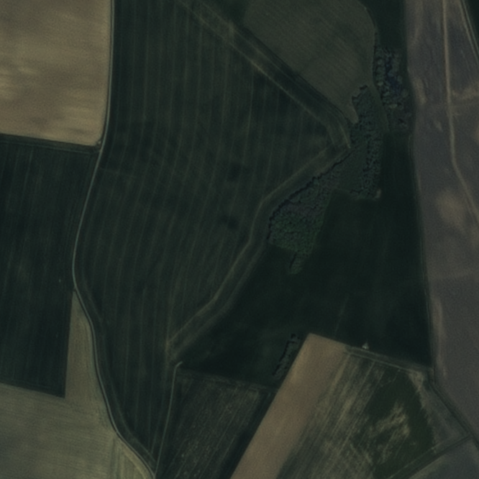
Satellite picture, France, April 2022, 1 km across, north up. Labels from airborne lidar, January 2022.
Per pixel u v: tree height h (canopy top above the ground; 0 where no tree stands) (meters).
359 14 0
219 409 0
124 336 0
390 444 0
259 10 0
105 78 0
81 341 0
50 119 0
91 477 0
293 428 0
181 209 0
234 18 0
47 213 0
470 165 0
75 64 0
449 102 0
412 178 0
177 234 0
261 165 0
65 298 0
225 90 0
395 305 0
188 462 0
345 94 0
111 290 0
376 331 0
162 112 0
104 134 0
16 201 0
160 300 0
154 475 0
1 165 0
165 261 0
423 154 0
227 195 0
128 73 0
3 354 0
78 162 0
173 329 0
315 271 0
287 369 9
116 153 0
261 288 0
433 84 0
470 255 0
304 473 0
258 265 0
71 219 0
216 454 0
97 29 0
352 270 0
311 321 0
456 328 0
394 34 0
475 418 0
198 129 0
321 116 0
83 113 0
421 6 0
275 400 0
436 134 0
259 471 0
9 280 0
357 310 0
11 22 0
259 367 0
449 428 0
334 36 0
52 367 0
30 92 0
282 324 0
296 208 23
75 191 0
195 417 0
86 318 0
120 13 0
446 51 0
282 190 0
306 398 0
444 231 0
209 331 0
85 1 0
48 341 0
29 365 0
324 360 0
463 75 0
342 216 0
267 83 0
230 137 0
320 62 0
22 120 0
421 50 0
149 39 0
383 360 0
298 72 0
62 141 0
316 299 0
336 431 0
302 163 0
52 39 0
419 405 0
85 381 0
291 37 0
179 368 0
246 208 0
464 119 0
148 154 0
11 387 0
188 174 0
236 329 0
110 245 0
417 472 0
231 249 0
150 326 0
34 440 0
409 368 0
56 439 0
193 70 0
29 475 0
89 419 0
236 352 0
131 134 0
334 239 0
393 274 0
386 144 0
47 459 0
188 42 0
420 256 0
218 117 0
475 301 0
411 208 0
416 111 0
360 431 0
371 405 0
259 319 0
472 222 0
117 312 0
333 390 0
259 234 0
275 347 0
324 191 15
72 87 0
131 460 0
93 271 0
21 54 0
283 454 0
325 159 0
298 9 0
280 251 0
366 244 0
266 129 0
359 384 0
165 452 0
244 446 0
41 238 0
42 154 0
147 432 0
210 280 0
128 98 0
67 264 0
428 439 0
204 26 0
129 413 0
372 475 0
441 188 0
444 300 0
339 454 0
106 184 0
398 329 0
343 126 0
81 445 0
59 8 0
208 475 0
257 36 0
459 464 0
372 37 0
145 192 0
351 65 0
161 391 0
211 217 0
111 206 0
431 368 0
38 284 0
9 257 0
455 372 0
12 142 0
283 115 0
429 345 0
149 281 0
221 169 0
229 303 0
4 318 0
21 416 0
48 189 0
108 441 0
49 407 0
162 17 0
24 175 0
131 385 0
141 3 0
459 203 0
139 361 0
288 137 0
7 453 0
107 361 0
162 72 0
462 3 0
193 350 0
